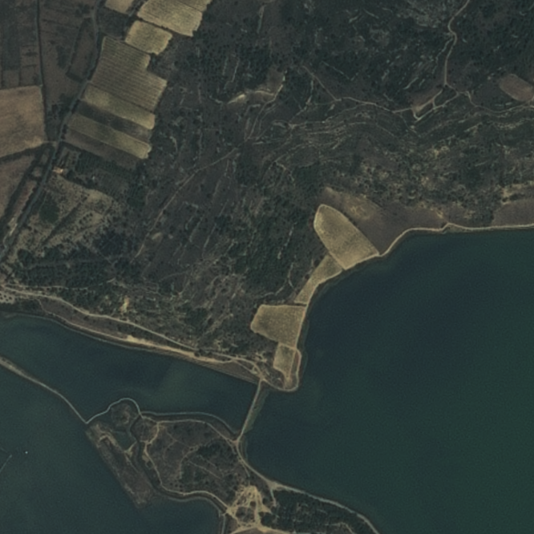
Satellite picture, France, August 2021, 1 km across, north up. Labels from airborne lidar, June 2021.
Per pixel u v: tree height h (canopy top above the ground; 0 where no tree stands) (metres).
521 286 0
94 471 0
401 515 0
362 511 0
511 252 0
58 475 0
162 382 0
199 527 0
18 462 0
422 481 0
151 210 0
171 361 0
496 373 0
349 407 0
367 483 0
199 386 0
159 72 0
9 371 0
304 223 9
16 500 0
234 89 0
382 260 0
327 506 10
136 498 0
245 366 0
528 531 0
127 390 0
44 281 9
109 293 8
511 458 0
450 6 0
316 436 0
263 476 0
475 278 0
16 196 5
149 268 0
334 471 0
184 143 0
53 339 0
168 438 0
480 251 0
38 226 0
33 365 0
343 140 0
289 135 0
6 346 0
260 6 0
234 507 0
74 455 0
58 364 0
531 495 0
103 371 0
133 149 0
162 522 0
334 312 0
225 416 0
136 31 0
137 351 0
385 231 0
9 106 0
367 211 0
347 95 0
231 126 0
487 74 0
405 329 0
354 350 0
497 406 0
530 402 0
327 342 0
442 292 0
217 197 0
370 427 0
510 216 0
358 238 0
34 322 0
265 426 0
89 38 0
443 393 0
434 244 0
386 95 0
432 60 0
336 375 0
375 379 0
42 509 0
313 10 0
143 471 0
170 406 0
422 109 0
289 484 0
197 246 0
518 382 0
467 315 0
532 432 0
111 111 0
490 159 0
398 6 0
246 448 0
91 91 0
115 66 0
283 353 0
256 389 0
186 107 0
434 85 0
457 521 0
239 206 0
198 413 0
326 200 0
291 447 0
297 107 0
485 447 0
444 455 0
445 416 0
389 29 0
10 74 0
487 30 0
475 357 0
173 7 0
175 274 0
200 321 8
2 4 0
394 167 0
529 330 0
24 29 0
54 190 0
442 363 0
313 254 9
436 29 0
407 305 0
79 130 0
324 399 0
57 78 0
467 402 0
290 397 0
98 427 0
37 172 0
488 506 0
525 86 0
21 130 0
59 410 0
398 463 0
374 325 0
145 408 0
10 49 0
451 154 0
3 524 0
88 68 0
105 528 0
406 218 0
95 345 0
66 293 6
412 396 0
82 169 7
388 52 0
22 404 0
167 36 0
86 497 0
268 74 8
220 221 7
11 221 0
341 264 0
